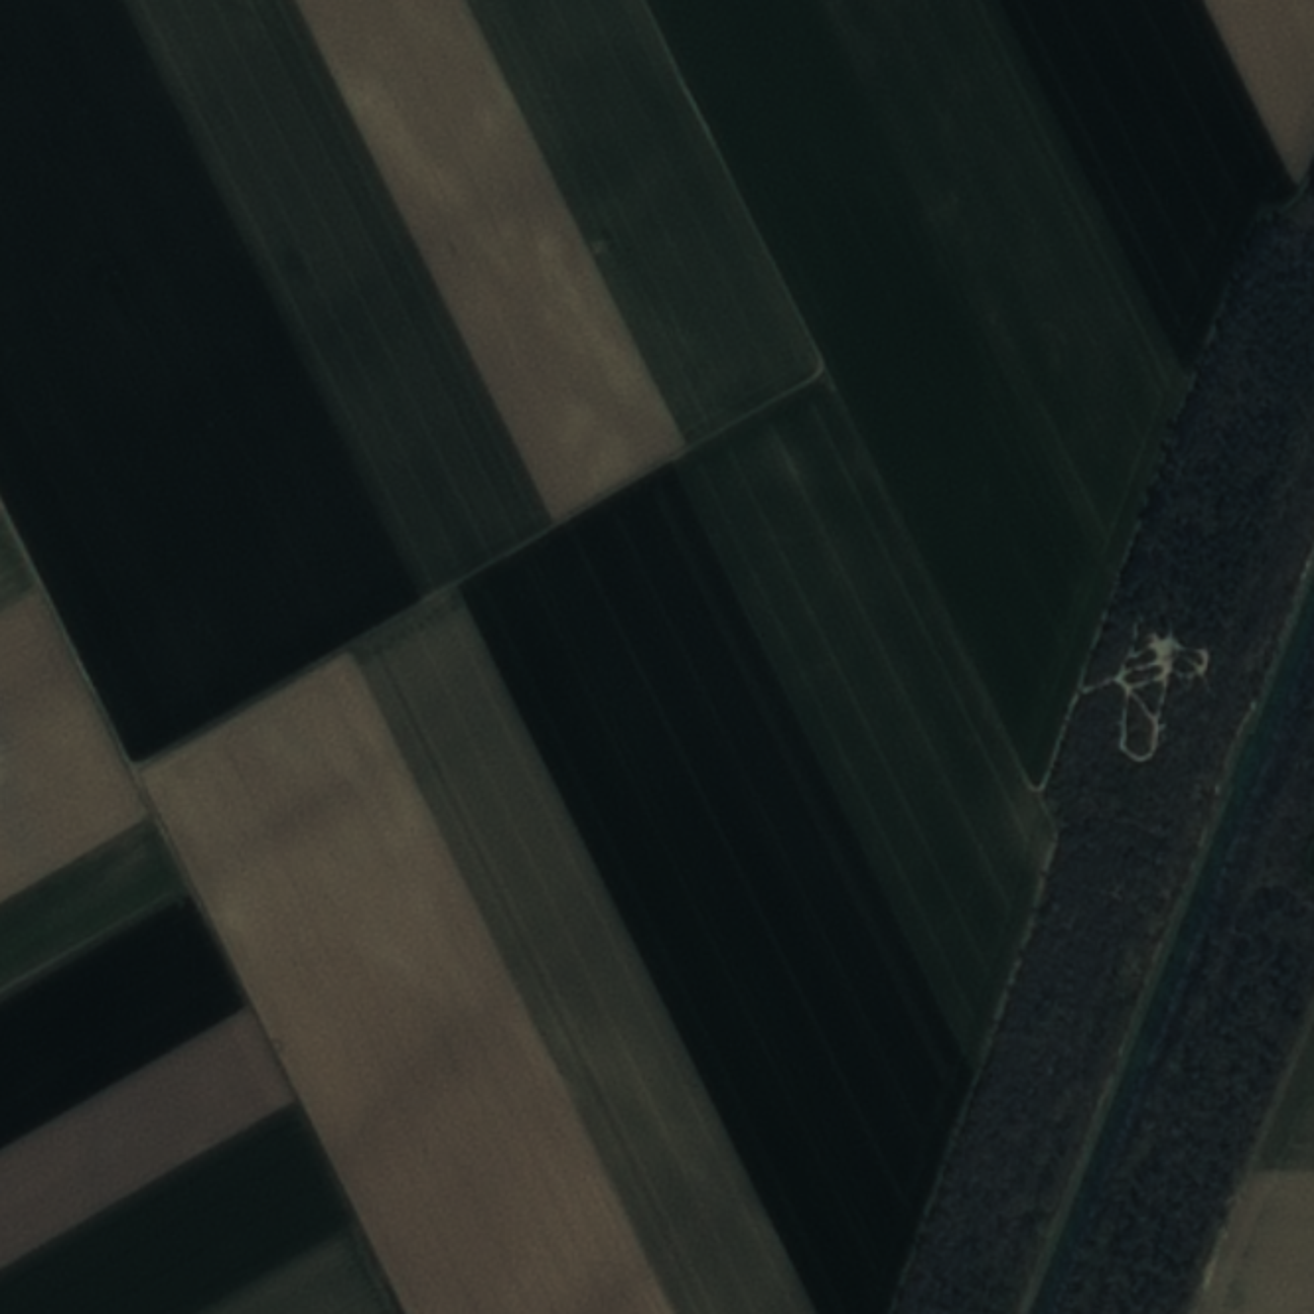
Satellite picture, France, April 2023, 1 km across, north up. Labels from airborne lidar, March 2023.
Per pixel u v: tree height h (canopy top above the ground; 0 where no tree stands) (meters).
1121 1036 17
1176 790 9
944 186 0
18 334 0
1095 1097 16
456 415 0
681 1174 0
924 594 0
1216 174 0
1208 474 13
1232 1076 14
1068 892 6
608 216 0
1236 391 12
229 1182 0
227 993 0
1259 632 8
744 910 0
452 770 0
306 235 0
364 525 0
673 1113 0
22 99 0
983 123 0
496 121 0
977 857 0
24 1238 0
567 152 0
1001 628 0
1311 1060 0
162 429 0
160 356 0
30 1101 0
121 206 0
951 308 0
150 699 0
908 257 0
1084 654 0
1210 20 0
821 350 0
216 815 0
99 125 0
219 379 0
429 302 0
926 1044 0
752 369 0
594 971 0
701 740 0
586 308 0
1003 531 0
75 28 0
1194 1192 14
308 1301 0
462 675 0
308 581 0
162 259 0
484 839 0
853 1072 0
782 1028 0
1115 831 10
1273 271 15
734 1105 0
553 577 0
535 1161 0
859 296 0
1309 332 16
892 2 0
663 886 0
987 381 0
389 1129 0
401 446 0
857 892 0
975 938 0
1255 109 0
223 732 0
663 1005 0
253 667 0
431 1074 0
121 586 0
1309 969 12
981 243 0
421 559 0
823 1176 0
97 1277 0
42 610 0
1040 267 0
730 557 0
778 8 0
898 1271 0
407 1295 0
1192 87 0
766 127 0
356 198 0
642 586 0
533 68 0
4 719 0
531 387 0
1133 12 0
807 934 0
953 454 0
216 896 0
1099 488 0
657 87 0
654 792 0
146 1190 0
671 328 0
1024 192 0
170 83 0
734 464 0
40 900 0
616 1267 0
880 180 0
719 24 0
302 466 0
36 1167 0
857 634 0
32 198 0
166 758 0
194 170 0
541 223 0
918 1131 0
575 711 0
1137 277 0
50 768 0
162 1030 0
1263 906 7
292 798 0
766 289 0
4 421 0
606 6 0
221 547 0
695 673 0
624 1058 0
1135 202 0
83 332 0
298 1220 0
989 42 0
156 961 0
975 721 0
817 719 0
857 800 0
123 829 0
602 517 0
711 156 0
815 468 0
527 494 0
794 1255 0
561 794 0
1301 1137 0
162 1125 0
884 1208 0
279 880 0
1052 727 0
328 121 0
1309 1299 0
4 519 0
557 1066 0
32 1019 0
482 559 0
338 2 0
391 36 0
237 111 0
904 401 0
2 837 0
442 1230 0
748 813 0
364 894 0
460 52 0
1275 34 0
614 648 0
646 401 0
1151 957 18
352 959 0
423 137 0
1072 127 0
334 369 0
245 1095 0
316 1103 0
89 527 0
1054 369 0
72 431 0
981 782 0
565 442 0
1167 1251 14
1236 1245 0
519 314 0
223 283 0
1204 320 0
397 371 0
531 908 0
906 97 0
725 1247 0
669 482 0
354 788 0
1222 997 13
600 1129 0
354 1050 0
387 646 0
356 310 0
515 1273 0
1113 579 0
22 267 0
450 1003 0
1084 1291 17
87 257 0
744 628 0
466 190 0
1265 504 14
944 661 0
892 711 0
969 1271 8
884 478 0
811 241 0
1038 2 0
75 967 0
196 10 0
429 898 0
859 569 0
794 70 0
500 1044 0
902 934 0
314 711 0
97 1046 0
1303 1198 0
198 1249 0
